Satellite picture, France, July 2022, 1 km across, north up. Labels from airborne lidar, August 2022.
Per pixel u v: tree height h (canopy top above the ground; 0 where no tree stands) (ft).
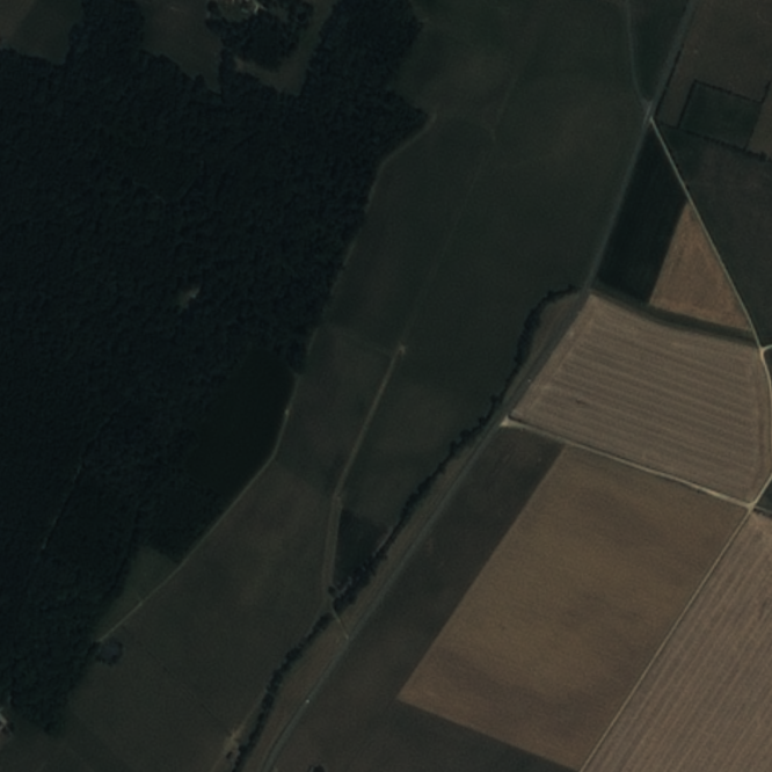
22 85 56
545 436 0
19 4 0
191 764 0
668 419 0
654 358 0
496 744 0
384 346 0
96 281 64
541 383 0
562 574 0
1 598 69
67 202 53
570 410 0
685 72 0
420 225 0
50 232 79
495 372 0
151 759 0
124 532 45
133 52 61
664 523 0
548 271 0
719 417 0
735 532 0
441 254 0
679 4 0
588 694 0
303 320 40
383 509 0
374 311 0
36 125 64
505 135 0
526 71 0
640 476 0
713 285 0
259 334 69
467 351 0
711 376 0
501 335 0
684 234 0
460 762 0
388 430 0
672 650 0
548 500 0
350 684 0
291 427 0
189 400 83
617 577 0
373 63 83
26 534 49
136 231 74
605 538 0
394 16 88
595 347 0
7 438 55
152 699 0
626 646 0
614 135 0
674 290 0
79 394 57
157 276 57
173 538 25
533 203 0
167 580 0
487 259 0
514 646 0
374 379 0
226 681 0
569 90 0
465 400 0
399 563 0
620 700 0
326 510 0
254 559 0
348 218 62
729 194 0
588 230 0
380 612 0
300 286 77
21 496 53
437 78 0
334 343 0
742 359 0
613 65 0
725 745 0
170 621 0
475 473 0
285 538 0
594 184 0
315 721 0
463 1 0
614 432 0
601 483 0
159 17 0
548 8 0
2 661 63
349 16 67
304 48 0
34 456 49
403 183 0
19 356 55
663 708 0
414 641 0
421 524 0
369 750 0
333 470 0
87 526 26
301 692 0
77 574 43
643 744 0
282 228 85
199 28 0
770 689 0
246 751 53
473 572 0
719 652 0
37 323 67
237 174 93
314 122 70
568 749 0
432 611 0
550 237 0
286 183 85
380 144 51
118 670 0
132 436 97
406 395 0
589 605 0
